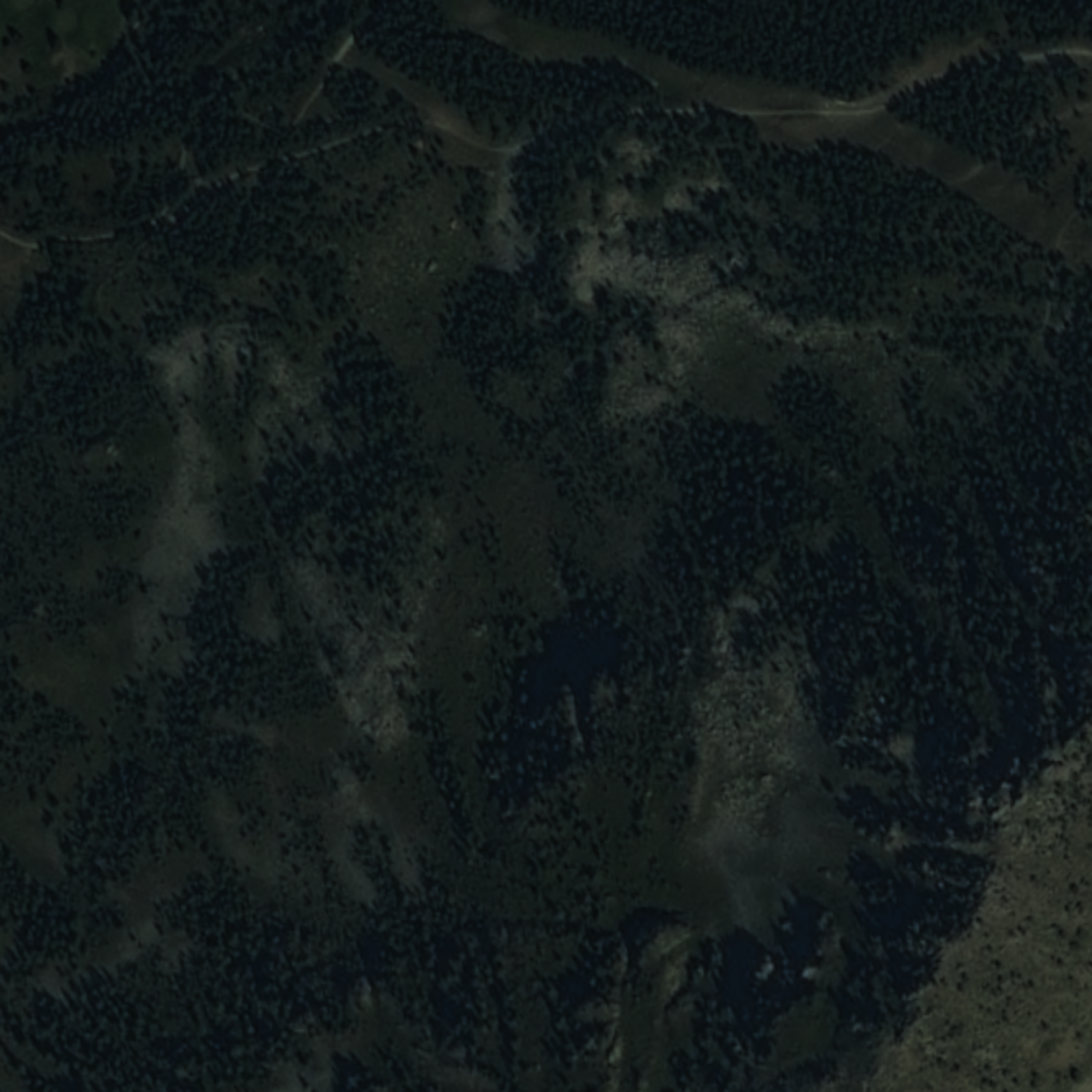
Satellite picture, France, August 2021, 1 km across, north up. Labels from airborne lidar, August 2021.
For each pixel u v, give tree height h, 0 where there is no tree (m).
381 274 0
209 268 18
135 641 0
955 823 0
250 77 14
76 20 0
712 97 0
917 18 17
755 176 9
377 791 0
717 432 11
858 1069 0
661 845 0
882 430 0
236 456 0
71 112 21
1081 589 12
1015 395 8
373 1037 0
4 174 19
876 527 0
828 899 0
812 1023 0
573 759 7
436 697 8
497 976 11
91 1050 9
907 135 0
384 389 14
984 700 0
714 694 0
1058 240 0
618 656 8
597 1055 7
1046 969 0
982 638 12
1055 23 21
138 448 0
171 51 21
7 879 14
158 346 9
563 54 0
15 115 14
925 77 0
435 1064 0
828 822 0
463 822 11
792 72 15
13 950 0
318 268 17
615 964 9
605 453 6
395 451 9
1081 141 0
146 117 16
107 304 0
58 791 0
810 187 15
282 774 0
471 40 14
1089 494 11
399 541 10
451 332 11
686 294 0
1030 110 12
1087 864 0
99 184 0
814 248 10
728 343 0
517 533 0
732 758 0
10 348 12
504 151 0
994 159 12
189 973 6
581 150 16
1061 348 12
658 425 6
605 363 9
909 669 12
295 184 15
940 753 10
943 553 13
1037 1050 0
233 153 18
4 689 9
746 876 0
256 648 7
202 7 19
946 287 0
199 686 9
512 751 8
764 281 12
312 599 0
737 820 0
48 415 8
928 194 11
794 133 0
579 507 8
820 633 9
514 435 13
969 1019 0
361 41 17
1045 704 6
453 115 0
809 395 8
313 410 0
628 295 0
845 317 12
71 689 0
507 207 0
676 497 0
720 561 7
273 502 15
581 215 0
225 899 9
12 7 0
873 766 10
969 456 7
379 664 0
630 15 19
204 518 0
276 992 13
